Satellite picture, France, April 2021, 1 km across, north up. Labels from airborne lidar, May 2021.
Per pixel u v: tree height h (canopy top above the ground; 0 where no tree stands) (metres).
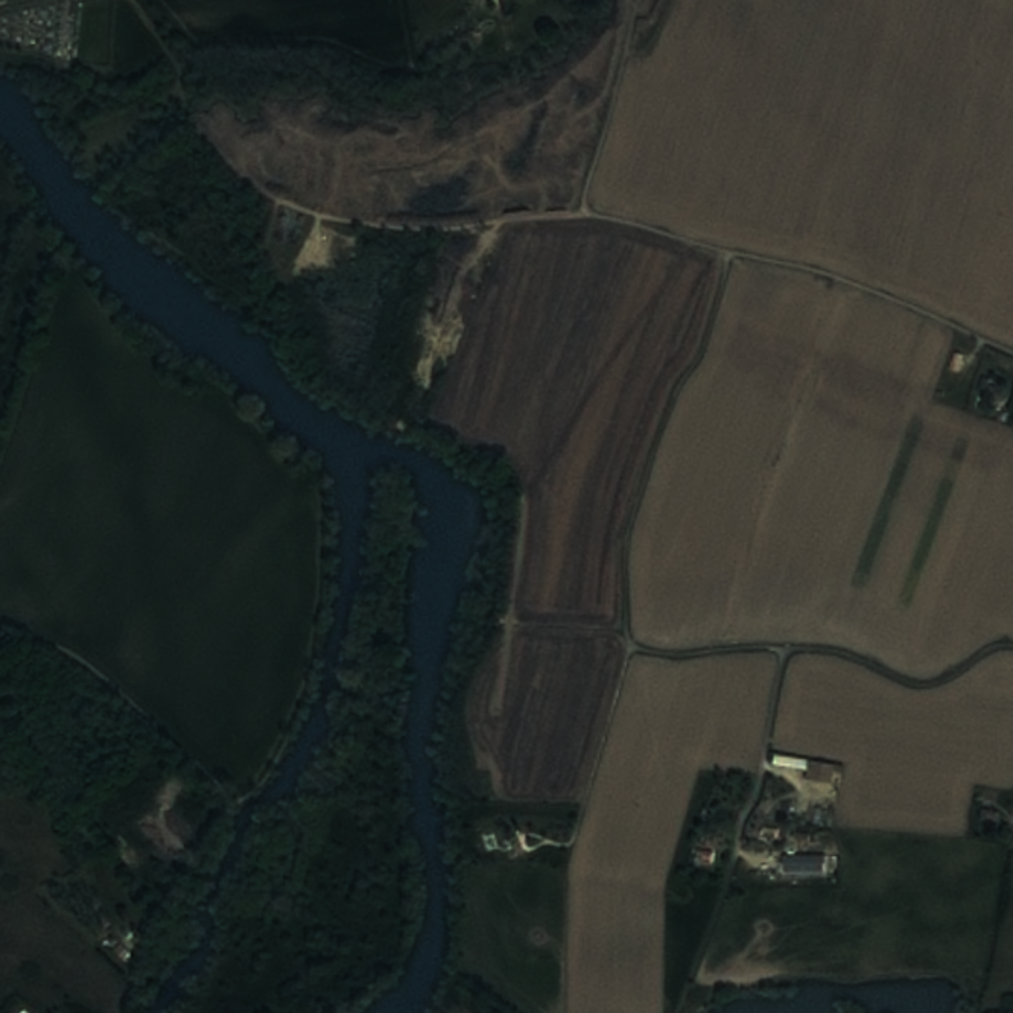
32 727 15
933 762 0
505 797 0
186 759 15
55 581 0
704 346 0
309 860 10
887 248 0
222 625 0
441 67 8
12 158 8
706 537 0
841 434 0
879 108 0
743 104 0
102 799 17
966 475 0
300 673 0
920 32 0
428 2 0
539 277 0
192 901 13
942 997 0
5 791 11
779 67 0
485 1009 24
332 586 13
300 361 16
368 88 15
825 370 0
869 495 0
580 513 0
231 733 0
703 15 0
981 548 0
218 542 0
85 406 0
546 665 0
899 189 0
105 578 0
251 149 0
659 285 0
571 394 0
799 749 0
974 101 0
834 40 0
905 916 0
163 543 0
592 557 0
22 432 0
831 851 0
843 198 0
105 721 13
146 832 0
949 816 0
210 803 15
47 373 0
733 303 0
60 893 8
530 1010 0
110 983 0
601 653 0
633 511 0
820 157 0
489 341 0
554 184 0
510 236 0
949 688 0
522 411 0
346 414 17
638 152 0
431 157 0
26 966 0
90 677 12
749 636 0
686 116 0
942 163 0
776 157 0
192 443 0
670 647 0
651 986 0
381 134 0
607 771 0
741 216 0
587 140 0
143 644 0
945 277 0
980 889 0
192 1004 22
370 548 18
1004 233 0
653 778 0
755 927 0
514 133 0
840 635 0
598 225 0
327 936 13
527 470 0
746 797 9
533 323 0
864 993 0
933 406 0
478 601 15
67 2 0
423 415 10
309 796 20
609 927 0
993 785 0
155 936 19
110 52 0
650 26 0
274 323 10
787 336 0
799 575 0
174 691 0
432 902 0
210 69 16
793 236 0
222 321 0
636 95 0
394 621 31
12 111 0
